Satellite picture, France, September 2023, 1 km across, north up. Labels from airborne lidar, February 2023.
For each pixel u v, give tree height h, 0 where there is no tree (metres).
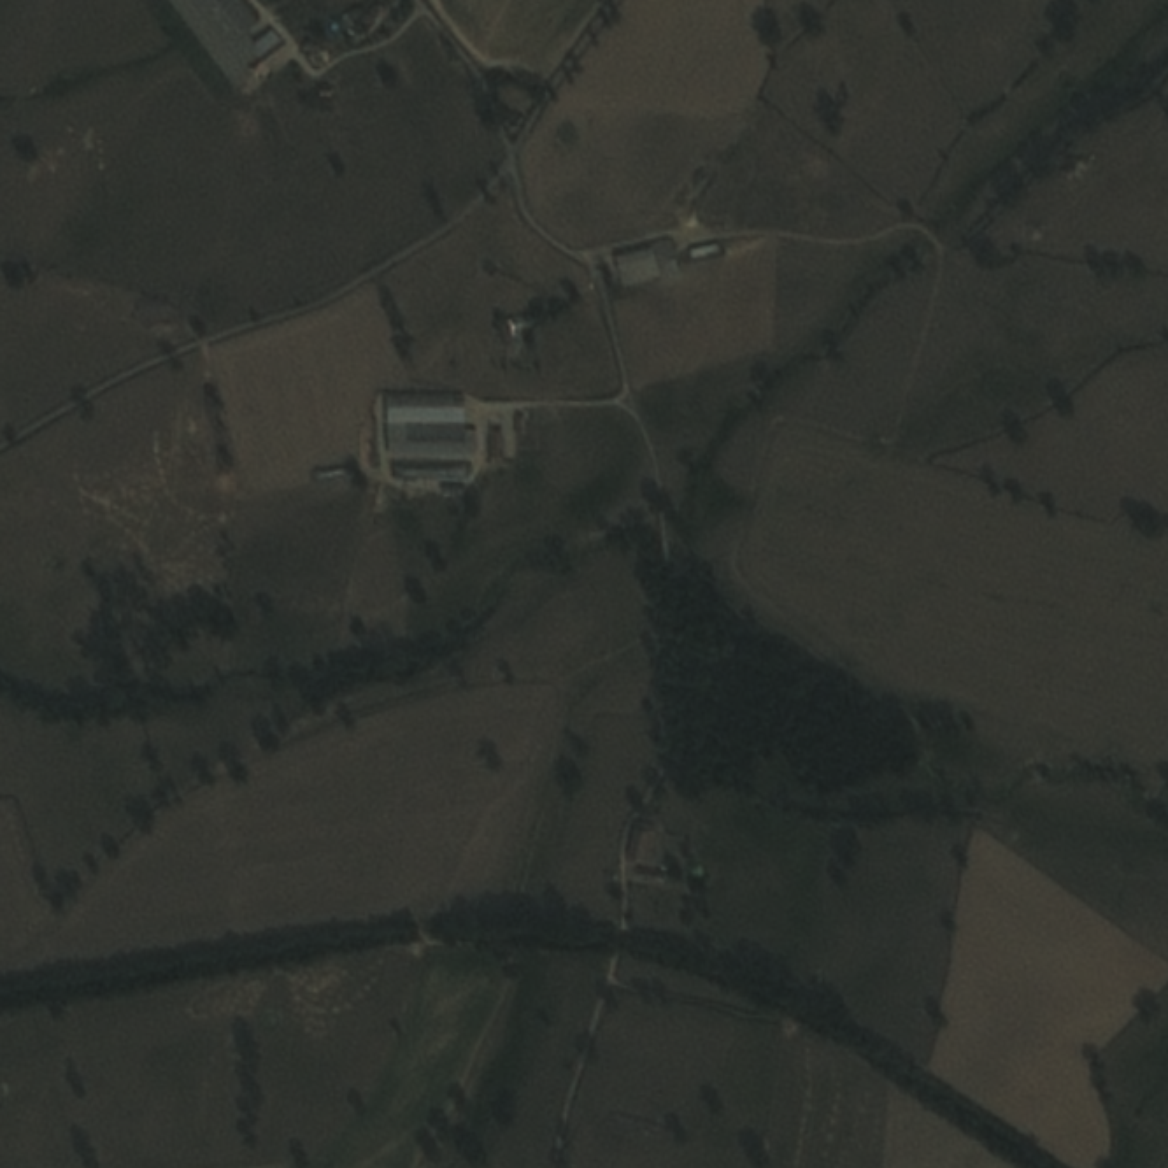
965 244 6
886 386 0
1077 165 0
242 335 0
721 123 0
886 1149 0
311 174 0
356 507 0
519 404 0
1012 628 0
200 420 0
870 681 0
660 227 0
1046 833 0
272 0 0
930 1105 8
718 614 13
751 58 0
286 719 11
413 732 0
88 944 0
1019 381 0
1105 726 0
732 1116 0
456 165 0
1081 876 0
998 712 0
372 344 0
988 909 0
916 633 0
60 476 0
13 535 0
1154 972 0
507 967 21
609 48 0
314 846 0
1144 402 0
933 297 0
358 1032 0
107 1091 0
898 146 0
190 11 0
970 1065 0
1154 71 6
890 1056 13
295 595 0
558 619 0
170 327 0
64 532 0
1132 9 0
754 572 0
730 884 0
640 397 0
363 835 0
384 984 0
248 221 0
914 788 0
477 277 0
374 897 0
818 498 0
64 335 0
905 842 0
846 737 16
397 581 0
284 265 0
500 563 0
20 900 0
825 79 0
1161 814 17
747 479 0
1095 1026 0
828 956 0
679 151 0
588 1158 0
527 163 0
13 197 0
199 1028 0
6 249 0
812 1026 10
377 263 0
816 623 0
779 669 9
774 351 0
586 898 0
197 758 0
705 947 19
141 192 0
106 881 0
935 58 0
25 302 0
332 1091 0
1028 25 0
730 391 0
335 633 0
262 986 0
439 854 0
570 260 0
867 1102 0
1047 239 0
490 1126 0
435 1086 0
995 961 0
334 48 0
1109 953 0
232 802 0
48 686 0
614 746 0
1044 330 0
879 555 0
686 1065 0
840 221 0
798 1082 0
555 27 0
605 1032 0
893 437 0
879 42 0
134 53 0
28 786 0
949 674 0
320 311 0
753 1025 0
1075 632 0
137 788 0
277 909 0
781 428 0
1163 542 0
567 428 0
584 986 0
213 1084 0
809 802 0
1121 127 0
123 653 19
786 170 0
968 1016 0
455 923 13
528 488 0
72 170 0
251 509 0
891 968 0
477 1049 0
